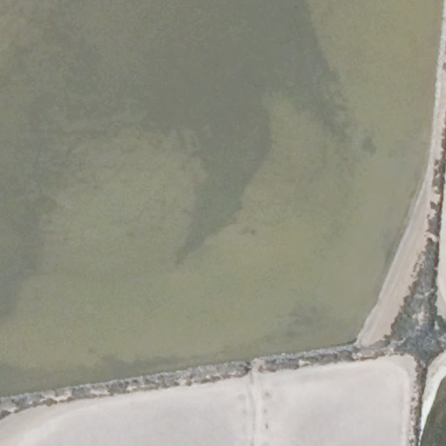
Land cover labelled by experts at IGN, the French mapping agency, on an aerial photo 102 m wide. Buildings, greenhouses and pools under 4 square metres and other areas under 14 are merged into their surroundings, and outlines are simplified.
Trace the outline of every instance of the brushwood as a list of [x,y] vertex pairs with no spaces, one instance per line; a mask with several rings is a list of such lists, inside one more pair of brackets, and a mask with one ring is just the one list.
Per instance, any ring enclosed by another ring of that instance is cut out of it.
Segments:
[[446,115],[441,141],[441,159],[436,160],[432,179],[439,200],[430,204],[436,214],[429,221],[429,232],[436,235],[441,233],[446,183]]
[[341,347],[317,348],[298,354],[265,355],[260,359],[254,359],[253,364],[228,362],[220,366],[200,366],[186,371],[75,385],[70,389],[64,389],[61,394],[33,392],[0,397],[0,422],[3,418],[17,415],[24,409],[70,404],[80,399],[106,399],[118,394],[136,394],[171,387],[221,382],[228,378],[242,378],[249,371],[275,373],[282,369],[310,368],[315,364],[375,361],[380,357],[409,354],[415,357],[418,383],[416,406],[411,408],[415,422],[415,439],[409,441],[409,446],[422,446],[423,437],[420,436],[420,418],[427,373],[432,361],[446,352],[446,319],[437,314],[437,267],[441,244],[427,240],[425,261],[416,274],[415,282],[409,287],[408,296],[404,298],[401,310],[392,322],[390,333],[385,334],[383,340],[371,345],[357,347],[355,343]]

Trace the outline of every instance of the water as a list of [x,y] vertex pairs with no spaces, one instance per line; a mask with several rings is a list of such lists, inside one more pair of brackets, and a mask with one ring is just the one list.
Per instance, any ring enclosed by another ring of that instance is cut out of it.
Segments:
[[265,355],[298,354],[317,348],[341,347],[355,343],[361,329],[364,328],[366,317],[378,303],[383,280],[387,277],[397,247],[401,244],[402,235],[406,232],[409,211],[415,204],[429,162],[444,0],[0,0],[0,397],[33,392],[61,394],[64,389],[70,389],[75,385],[186,371],[200,366],[220,366],[228,362],[253,364],[254,359],[260,359]]
[[436,399],[427,416],[423,437],[422,446],[446,446],[446,376],[439,383]]

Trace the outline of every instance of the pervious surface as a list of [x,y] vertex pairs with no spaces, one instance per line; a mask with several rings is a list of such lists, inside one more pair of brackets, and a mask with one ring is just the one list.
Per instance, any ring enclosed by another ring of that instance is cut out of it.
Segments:
[[420,418],[420,436],[423,437],[427,416],[436,399],[439,383],[446,376],[446,352],[432,361],[427,373]]
[[24,409],[17,415],[3,418],[0,422],[0,446],[409,446],[409,441],[415,439],[415,422],[411,408],[416,406],[418,383],[415,357],[409,354],[380,357],[375,361],[315,364],[310,368],[282,369],[275,373],[249,371],[242,378],[228,378],[221,382],[171,387],[136,394],[118,394],[106,399],[80,399],[70,404]]
[[446,0],[444,0],[429,162],[415,204],[409,211],[406,232],[402,235],[401,244],[397,247],[387,277],[383,280],[378,303],[366,317],[364,328],[361,329],[355,343],[357,347],[371,345],[383,340],[385,334],[390,333],[392,322],[401,310],[404,298],[408,296],[409,287],[415,282],[416,274],[425,261],[427,240],[441,244],[437,267],[437,314],[446,319],[446,183],[441,233],[436,235],[429,232],[429,221],[436,214],[430,204],[439,200],[432,179],[436,160],[441,159],[441,141],[446,115]]

